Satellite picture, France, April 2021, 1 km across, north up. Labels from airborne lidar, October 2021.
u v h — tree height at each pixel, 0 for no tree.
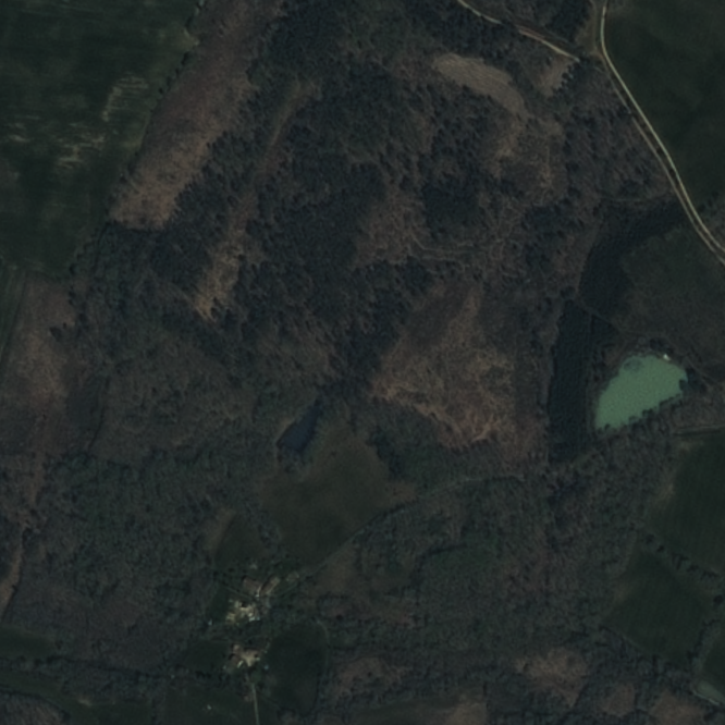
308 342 17
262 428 20
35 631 15
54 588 18
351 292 25
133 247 15
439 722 0
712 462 0
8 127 0
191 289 17
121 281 12
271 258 23
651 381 0
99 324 18
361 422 26
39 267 0
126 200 15
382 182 21
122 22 0
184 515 26
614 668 13
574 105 13
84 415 6
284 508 0
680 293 8
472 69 0
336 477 0
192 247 21
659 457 26
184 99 0
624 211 7
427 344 0
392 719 0
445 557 19
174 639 12
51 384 0
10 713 15
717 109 0
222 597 0
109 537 22
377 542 10
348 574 0
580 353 19
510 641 22
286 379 12
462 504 10
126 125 0
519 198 11
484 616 23
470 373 0
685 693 16
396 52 22
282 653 0
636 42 0
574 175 21
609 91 17
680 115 0
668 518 0
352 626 8
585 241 11
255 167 17
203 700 0
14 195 0
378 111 24
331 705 7
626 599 0
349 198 22
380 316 21
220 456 16
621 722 9
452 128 20
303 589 12
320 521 0
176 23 0
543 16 16
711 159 0
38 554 26
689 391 16
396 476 19
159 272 20
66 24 0
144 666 17
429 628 18
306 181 20
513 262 7
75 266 6
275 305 23
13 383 0
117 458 11
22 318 0
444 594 18
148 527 11
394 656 14
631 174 12
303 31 21
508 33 20
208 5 11
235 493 22
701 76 0
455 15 12
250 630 15
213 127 0
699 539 0
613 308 10
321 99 11
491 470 22
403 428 24
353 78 13
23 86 0
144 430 9
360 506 0
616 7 16
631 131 14
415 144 21
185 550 19
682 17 0
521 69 14
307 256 22
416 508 12
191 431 15
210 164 0
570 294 14
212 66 0
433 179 20
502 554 19
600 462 16
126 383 9
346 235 24
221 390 11
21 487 12
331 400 26
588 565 18
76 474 13
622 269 9
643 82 0
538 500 13
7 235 0
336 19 24
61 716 15
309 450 16
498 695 13
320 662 0
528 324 9
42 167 0
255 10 10
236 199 14
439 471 21
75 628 14
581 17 16
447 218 23
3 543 29
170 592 17
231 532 0
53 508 21
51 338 0
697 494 0
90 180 0
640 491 22
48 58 0
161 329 26
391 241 11
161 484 27
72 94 0
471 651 18
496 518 13
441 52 10
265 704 0
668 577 0
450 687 16
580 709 8
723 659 0
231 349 24
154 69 0
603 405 0
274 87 20
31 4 0
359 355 23
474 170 14
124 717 0
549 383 11
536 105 15
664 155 18
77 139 0
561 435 18
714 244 11
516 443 0
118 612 15
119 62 0
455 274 12
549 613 21
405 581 0
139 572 23
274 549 19
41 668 18
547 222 21
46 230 0
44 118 0
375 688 12
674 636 0
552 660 0
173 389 13
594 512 14
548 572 8
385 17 14
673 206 8
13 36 0
